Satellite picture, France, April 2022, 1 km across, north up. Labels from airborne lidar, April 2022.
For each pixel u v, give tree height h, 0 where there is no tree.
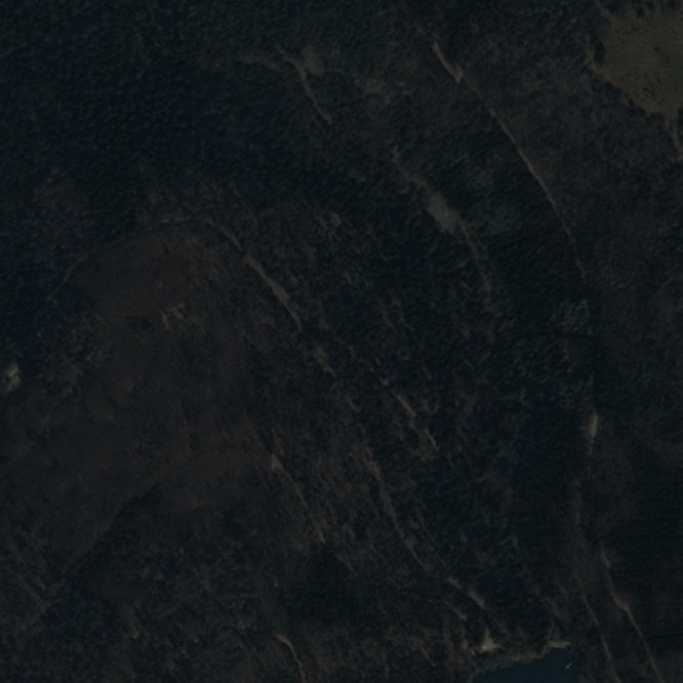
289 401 25
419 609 27
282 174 28
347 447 29
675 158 19
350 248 28
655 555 17
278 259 33
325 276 32
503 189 13
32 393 18
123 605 12
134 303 16
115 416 11
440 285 34
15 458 14
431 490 31
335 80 13
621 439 21
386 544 29
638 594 18
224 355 15
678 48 0
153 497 14
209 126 31
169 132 38
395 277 32
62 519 8
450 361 31
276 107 29
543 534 22
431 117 13
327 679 23
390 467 34
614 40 0
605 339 22
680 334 18
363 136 17
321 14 19
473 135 20
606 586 15
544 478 22
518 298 18
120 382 13
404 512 27
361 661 24
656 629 17
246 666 24
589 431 15
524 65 11
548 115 15
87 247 28
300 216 29
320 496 27
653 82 0
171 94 42
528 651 26
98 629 8
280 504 20
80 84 35
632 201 21
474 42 15
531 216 18
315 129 28
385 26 19
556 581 15
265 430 19
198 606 8
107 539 9
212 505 13
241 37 15
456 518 30
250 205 32
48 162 24
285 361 25
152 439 7
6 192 33
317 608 22
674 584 14
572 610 18
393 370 28
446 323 30
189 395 9
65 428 11
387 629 26
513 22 18
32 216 32
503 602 35
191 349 12
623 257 18
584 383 22
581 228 19
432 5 26
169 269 11
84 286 15
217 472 14
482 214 19
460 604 27
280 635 16
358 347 20
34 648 8
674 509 20
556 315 20
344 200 34
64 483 11
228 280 27
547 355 22
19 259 29
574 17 23
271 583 21
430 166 24
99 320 24
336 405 36
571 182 15
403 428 32
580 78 19
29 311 26
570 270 13
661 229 19
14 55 23
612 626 15
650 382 21
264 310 24
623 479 19
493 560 28
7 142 32
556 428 24
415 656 31
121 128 34
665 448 19
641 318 17
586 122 12
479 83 13
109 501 9
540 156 15
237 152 33
